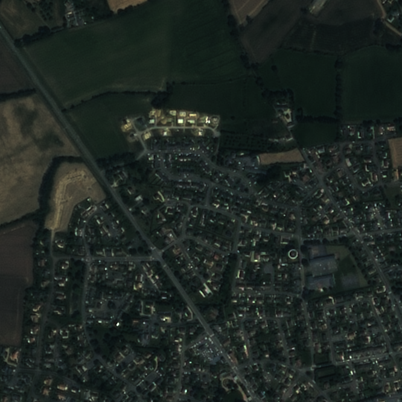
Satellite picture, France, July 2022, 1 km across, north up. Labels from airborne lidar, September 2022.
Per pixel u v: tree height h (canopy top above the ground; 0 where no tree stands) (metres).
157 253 0
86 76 0
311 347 0
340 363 0
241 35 0
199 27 0
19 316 0
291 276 7
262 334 7
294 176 8
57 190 0
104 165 16
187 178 0
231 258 15
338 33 0
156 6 0
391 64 0
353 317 7
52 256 0
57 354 0
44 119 0
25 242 0
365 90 0
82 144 0
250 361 0
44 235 12
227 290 12
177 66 0
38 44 0
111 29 0
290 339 8
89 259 0
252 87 0
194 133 0
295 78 0
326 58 0
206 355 0
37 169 0
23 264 0
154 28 0
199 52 0
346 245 8
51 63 0
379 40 0
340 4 0
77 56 0
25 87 0
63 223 0
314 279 0
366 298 0
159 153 0
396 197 9
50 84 0
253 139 7
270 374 0
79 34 0
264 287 0
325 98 0
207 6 0
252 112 0
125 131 0
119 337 8
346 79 0
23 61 0
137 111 0
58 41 0
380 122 14
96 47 0
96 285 11
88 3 0
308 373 9
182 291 0
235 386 11
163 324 0
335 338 0
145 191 0
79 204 0
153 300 9
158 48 0
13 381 0
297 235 0
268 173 14
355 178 0
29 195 0
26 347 6
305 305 0
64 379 0
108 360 7
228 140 6
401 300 9
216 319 9
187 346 0
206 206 0
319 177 0
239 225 0
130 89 0
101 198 0
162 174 0
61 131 0
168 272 0
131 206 0
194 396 16
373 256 0
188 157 0
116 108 0
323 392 0
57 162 24
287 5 0
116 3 0
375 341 7
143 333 5
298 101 0
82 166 0
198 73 0
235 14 0
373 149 0
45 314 0
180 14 0
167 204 0
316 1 0
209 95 0
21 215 0
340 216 0
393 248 0
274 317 0
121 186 7
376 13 0
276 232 0
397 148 0
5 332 0
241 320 0
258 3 0
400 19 13
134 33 0
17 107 0
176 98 0
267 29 0
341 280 0
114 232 0
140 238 13
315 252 0
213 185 0
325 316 0
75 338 10
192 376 7
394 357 0
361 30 0
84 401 0
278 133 0
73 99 0
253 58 0
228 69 0
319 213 0
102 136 0
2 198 0
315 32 0
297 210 0
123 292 6
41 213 5
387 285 0
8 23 0
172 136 0
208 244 0
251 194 0
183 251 0
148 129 0
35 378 0
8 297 0
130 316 8
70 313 0
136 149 0
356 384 0
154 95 6
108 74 0
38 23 0
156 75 0
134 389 0
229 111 0
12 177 0
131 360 0
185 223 0
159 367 7
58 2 0
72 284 0
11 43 0
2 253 0
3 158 0
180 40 0
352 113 0
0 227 8
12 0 0
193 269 0
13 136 0
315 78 0
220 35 0
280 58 0
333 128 0
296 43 0
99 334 0
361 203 7
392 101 0
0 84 0
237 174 0
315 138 0
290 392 0
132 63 0
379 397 16
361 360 0
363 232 0
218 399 9
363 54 0
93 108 0
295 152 0
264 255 0
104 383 8
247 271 6
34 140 0
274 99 7
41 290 6
